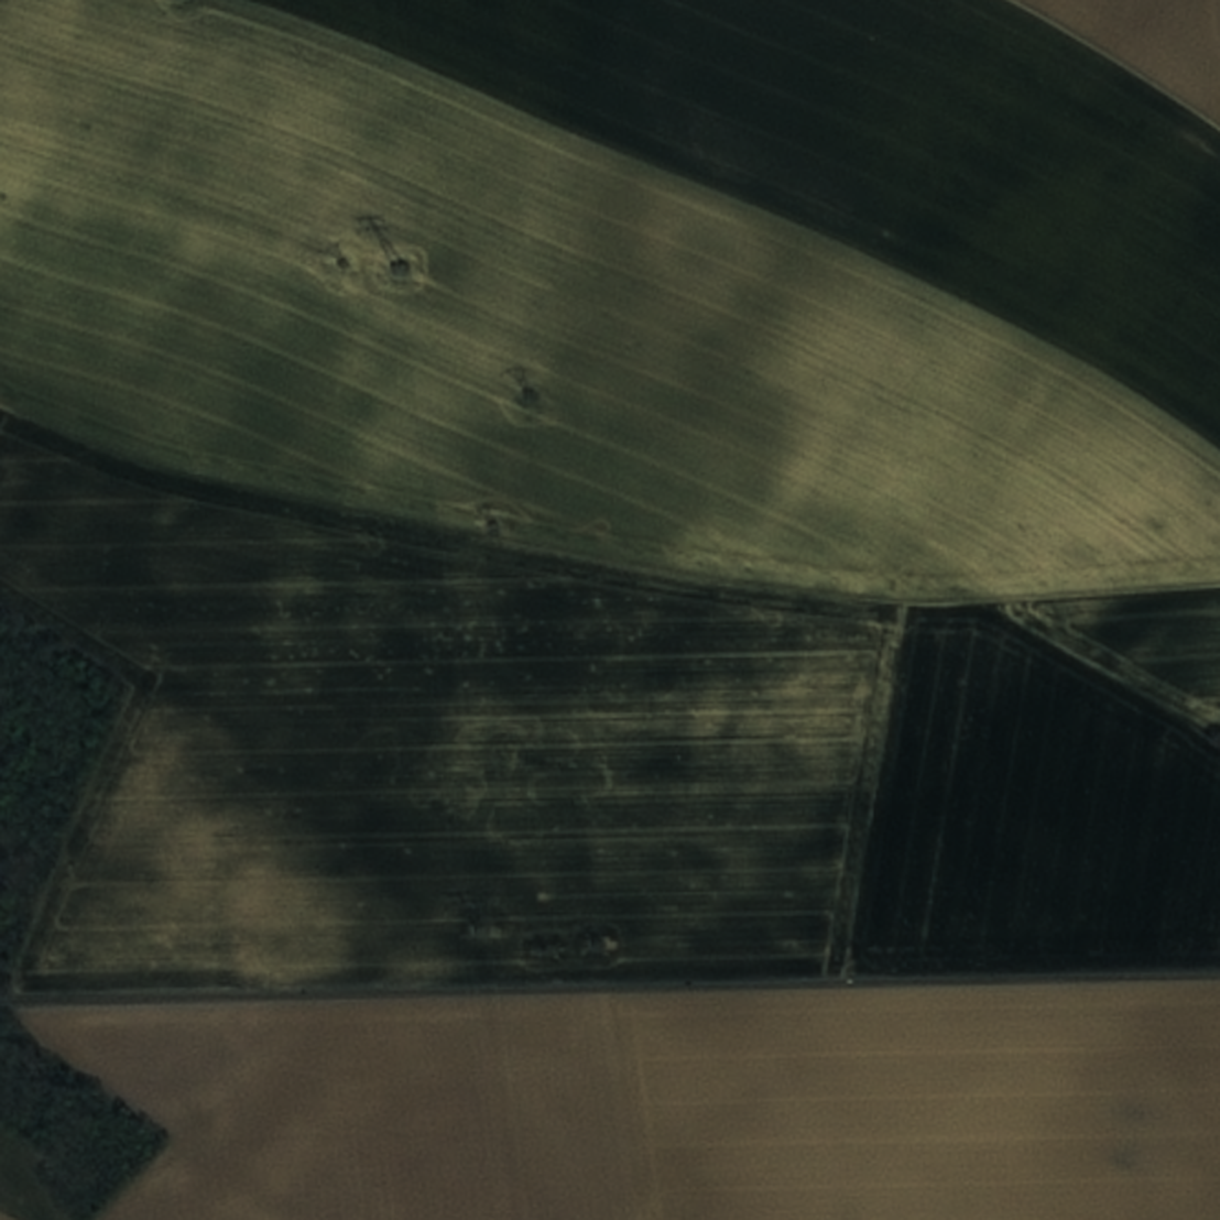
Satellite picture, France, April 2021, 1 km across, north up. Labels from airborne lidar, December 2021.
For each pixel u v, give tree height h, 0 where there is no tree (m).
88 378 0
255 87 0
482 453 0
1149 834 0
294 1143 0
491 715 0
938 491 0
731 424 0
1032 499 0
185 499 0
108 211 0
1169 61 0
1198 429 0
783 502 0
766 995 0
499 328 0
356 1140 0
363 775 0
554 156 0
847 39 0
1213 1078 0
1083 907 0
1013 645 0
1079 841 0
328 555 0
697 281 0
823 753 0
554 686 0
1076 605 0
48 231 0
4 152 0
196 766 0
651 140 0
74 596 0
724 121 0
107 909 0
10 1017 12
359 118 0
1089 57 0
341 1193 0
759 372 0
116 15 0
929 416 0
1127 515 0
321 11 0
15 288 0
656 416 0
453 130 0
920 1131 0
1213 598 0
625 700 0
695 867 0
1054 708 0
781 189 0
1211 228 0
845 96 0
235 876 0
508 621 0
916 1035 0
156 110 0
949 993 0
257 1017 0
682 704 0
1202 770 0
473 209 0
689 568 0
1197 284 0
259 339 0
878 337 0
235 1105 0
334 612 0
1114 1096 0
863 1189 0
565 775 0
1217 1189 0
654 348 0
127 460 0
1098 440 0
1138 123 0
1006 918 0
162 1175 0
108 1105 15
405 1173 0
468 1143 0
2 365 0
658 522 0
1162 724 0
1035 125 0
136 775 0
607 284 0
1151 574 0
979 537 0
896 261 0
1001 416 0
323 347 0
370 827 0
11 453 0
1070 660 0
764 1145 0
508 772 0
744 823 0
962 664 0
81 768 18
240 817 0
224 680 0
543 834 0
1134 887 0
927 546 0
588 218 0
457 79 0
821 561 0
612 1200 0
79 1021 0
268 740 0
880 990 0
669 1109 0
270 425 0
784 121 0
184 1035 0
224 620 0
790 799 0
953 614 0
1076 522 0
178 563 0
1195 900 0
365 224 0
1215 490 0
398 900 0
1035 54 0
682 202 0
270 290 0
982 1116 0
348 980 0
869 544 0
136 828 0
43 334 0
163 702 0
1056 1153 0
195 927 0
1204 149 0
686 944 0
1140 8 0
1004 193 0
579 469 0
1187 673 0
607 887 0
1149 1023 0
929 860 0
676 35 0
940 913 0
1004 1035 0
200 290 0
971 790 0
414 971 0
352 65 0
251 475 0
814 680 0
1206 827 0
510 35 0
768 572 0
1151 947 0
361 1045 0
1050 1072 0
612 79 0
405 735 0
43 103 0
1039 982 0
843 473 0
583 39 0
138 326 0
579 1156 0
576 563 0
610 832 0
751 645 0
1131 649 0
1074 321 0
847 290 0
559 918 0
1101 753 0
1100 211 0
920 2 0
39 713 18
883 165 0
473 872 0
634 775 0
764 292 0
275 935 0
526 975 0
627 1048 0
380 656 0
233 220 0
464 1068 0
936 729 0
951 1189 0
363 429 0
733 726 0
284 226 0
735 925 0
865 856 0
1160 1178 0
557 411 0
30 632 8
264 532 0
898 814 0
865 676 0
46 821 17
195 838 0
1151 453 0
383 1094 0
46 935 0
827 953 0
